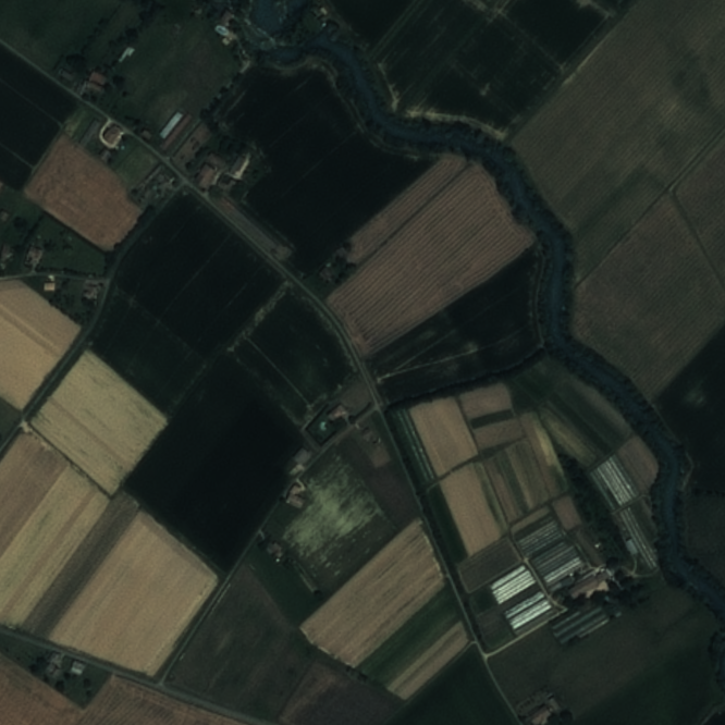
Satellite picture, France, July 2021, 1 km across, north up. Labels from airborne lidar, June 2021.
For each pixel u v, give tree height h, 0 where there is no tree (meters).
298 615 0
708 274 0
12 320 0
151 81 0
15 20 0
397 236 0
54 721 0
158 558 0
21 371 0
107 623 0
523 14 0
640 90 0
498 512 0
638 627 0
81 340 0
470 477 0
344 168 0
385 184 0
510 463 0
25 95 0
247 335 0
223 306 0
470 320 0
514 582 0
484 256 0
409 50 0
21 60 0
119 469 0
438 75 0
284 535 0
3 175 0
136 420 0
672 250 0
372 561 0
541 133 0
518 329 0
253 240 0
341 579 0
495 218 0
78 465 0
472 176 0
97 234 0
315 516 0
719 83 0
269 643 0
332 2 0
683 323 0
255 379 0
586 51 0
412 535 0
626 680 0
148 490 0
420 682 0
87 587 0
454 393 12
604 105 0
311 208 0
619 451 0
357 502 0
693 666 0
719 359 0
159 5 22
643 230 0
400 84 0
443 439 0
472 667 0
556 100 0
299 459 0
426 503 10
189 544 0
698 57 0
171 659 0
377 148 0
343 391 0
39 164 0
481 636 7
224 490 0
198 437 0
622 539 14
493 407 0
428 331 0
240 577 0
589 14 0
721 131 0
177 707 0
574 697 0
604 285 0
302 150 0
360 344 0
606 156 0
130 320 0
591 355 12
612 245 0
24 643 0
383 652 0
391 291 0
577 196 0
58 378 0
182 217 0
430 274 0
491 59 0
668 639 0
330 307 0
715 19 0
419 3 0
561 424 0
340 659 0
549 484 0
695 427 0
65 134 0
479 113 0
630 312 0
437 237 0
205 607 0
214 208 0
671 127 0
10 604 0
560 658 0
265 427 0
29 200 0
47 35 0
